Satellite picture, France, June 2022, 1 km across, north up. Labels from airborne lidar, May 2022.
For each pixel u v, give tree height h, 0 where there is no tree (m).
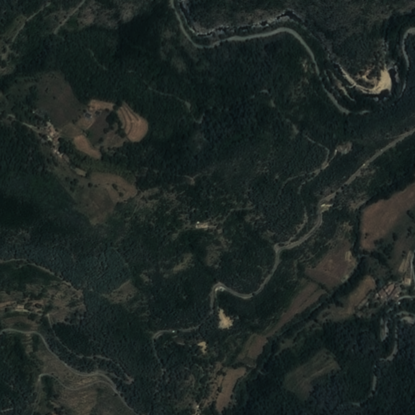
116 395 7
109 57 7
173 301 15
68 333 8
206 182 16
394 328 7
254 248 6
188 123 7
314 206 6
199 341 23
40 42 12
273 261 7
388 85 0
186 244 10
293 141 6
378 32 7
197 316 8
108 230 0
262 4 10
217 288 0
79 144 0
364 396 7
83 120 0
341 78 13
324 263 0
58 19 13
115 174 8
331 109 11
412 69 12
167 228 10
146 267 6
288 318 0
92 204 0
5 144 12
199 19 6
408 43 7
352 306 0
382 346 9
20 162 14
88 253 9
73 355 11
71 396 0
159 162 12
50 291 0
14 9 25
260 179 6
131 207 0
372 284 0
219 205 10
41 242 16
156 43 7
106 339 20
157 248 10
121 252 17
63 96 0
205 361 16
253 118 19
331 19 7
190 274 11
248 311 8
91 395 0
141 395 17
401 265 0
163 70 14
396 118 9
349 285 24
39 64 15
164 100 9
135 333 8
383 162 6
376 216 0
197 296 10
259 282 7
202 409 9
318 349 13
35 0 11
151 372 22
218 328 22
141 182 13
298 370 0
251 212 10
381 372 14
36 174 11
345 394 23
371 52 7
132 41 16
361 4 7
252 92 7
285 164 7
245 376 7
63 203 0
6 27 13
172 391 8
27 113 9
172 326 7
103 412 0
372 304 10
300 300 0
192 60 11
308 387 0
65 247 13
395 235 11
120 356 23
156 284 7
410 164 20
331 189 7
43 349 0
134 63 11
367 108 10
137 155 9
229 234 7
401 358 7
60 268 15
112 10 8
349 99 16
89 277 7
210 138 11
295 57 15
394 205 0
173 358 27
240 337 6
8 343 12
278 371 11
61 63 6
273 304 13
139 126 0
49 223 10
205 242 8
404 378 13
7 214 10
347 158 13
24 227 8
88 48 9
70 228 6
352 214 7
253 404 16
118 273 15
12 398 18
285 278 7
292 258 8
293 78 12
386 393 8
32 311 8
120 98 8
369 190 6
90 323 19
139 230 6
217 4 11
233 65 7
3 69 12
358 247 14
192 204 13
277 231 20
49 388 8
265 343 0
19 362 8
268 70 9
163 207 10
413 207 0
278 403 8
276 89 15
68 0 15
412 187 0
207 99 11
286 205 18
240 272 11
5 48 10
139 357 13
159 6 14
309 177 18
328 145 10
